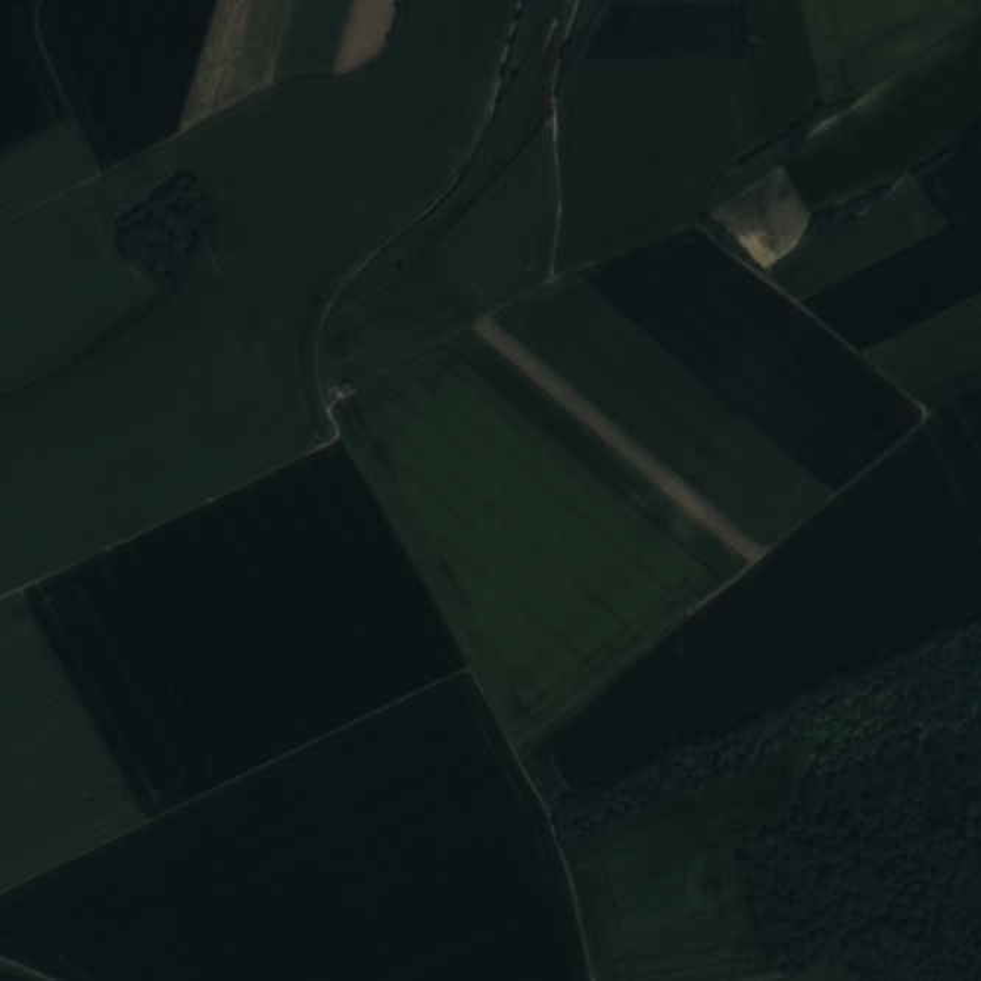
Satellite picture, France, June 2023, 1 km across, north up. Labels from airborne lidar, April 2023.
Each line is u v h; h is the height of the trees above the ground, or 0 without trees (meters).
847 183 0
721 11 0
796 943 14
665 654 0
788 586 0
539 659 0
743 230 0
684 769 12
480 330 0
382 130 0
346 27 0
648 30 0
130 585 0
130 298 0
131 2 0
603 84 0
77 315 0
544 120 0
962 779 13
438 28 0
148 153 0
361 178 0
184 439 0
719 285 0
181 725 0
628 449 0
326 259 0
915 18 0
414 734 0
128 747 0
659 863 0
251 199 0
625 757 0
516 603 0
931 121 0
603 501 0
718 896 0
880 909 10
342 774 0
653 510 0
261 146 0
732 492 0
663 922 0
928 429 0
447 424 0
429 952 0
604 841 0
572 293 0
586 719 0
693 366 0
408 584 0
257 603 0
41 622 0
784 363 0
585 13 0
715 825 0
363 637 0
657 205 0
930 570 0
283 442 0
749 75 0
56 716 0
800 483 0
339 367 0
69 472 0
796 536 0
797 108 0
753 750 14
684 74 0
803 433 0
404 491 0
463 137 0
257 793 0
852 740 11
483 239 0
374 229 0
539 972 0
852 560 0
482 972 0
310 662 0
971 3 0
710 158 0
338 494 0
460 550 0
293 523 0
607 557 0
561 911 0
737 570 0
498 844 0
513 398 0
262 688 0
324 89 0
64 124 0
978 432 0
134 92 0
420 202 0
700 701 0
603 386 0
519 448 0
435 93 0
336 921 0
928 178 0
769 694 0
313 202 0
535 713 0
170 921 0
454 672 0
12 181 0
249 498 0
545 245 0
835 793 11
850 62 0
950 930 9
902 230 0
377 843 0
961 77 0
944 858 25
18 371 0
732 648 0
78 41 0
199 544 0
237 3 0
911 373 0
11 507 0
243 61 0
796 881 13
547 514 0
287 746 0
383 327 0
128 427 0
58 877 0
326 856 0
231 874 0
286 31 0
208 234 24
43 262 0
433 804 0
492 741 0
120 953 0
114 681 0
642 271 0
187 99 0
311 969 0
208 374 0
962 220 0
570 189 0
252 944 0
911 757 22
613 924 0
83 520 0
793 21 0
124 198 0
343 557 0
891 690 17
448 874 0
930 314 0
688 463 0
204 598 0
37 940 0
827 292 0
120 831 0
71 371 0
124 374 0
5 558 0
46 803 0
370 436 0
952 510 0
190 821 0
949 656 16
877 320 0
